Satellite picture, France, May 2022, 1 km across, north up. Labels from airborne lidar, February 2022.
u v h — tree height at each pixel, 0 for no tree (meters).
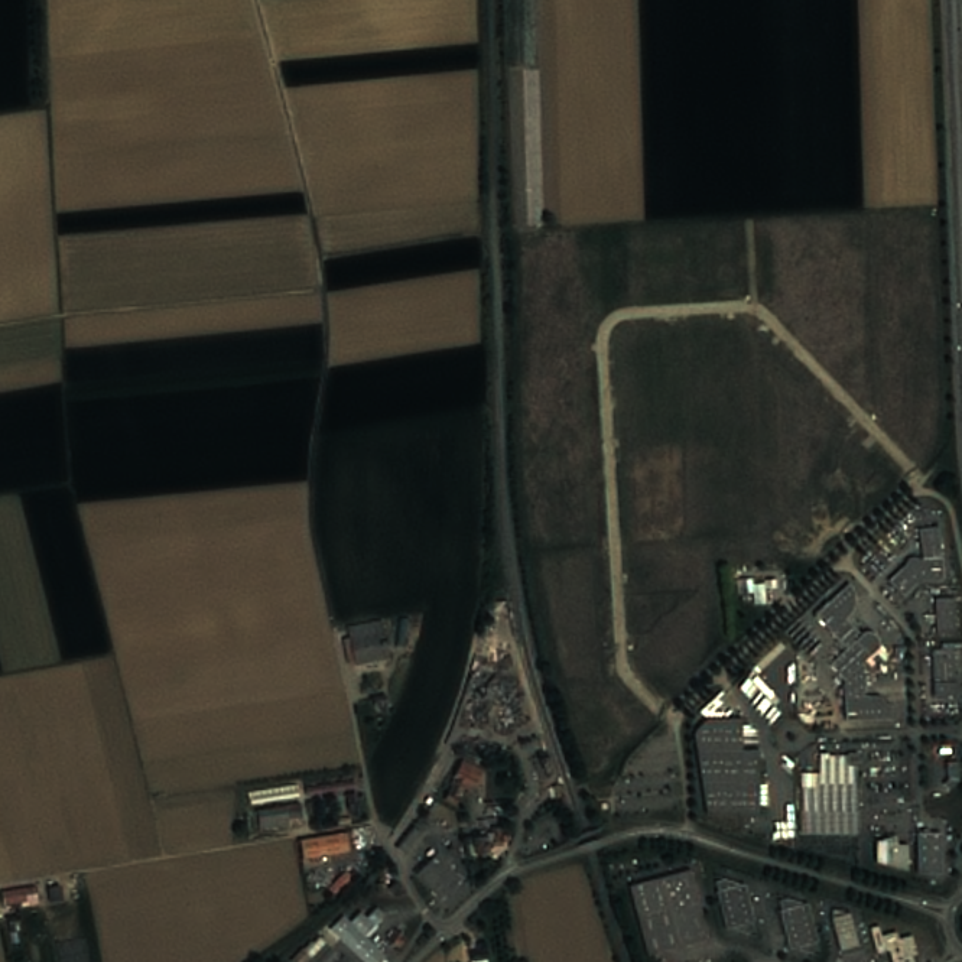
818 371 0
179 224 0
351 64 0
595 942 0
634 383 0
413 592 0
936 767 0
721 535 0
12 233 0
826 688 0
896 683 0
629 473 0
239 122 0
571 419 0
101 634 0
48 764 0
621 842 0
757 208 0
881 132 0
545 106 0
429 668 0
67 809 0
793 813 0
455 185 0
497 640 0
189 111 0
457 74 0
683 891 0
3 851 0
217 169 0
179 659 0
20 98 0
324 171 0
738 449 0
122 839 0
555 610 0
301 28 0
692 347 0
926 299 0
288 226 0
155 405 0
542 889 0
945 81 0
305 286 0
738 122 0
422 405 0
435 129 0
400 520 0
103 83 0
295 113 0
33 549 0
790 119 0
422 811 14
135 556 0
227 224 0
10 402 0
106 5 0
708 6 0
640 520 0
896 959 0
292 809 0
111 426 0
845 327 0
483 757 20
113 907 0
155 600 0
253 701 0
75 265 0
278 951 0
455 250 0
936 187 0
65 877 0
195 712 0
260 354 0
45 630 0
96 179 0
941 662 0
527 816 0
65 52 0
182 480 0
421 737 0
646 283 0
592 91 0
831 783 0
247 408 0
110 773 0
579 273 0
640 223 0
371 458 0
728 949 0
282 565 0
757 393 0
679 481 0
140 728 0
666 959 0
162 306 0
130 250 0
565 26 0
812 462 0
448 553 0
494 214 0
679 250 0
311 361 0
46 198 0
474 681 0
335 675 0
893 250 0
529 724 0
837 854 0
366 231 0
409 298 0
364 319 0
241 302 0
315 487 0
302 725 0
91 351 0
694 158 0
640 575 0
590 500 0
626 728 0
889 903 10
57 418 0
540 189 0
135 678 0
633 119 0
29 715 0
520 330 0
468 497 0
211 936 0
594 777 0
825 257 0
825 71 0
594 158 0
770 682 0
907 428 0
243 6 0
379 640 0
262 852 0
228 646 0
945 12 0
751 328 0
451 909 0
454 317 0
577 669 0
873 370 0
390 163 0
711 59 0
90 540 0
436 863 0
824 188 0
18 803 0
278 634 0
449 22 0
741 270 0
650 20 0
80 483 0
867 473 0
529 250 0
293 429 0
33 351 0
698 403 0
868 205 0
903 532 0
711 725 0
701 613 0
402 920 0
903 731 0
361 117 0
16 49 0
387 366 0
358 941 0
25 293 0
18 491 0
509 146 0
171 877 0
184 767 0
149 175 0
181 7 0
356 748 0
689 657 0
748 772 0
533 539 0
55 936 0
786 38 0
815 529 0
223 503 0
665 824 0
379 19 0
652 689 0
